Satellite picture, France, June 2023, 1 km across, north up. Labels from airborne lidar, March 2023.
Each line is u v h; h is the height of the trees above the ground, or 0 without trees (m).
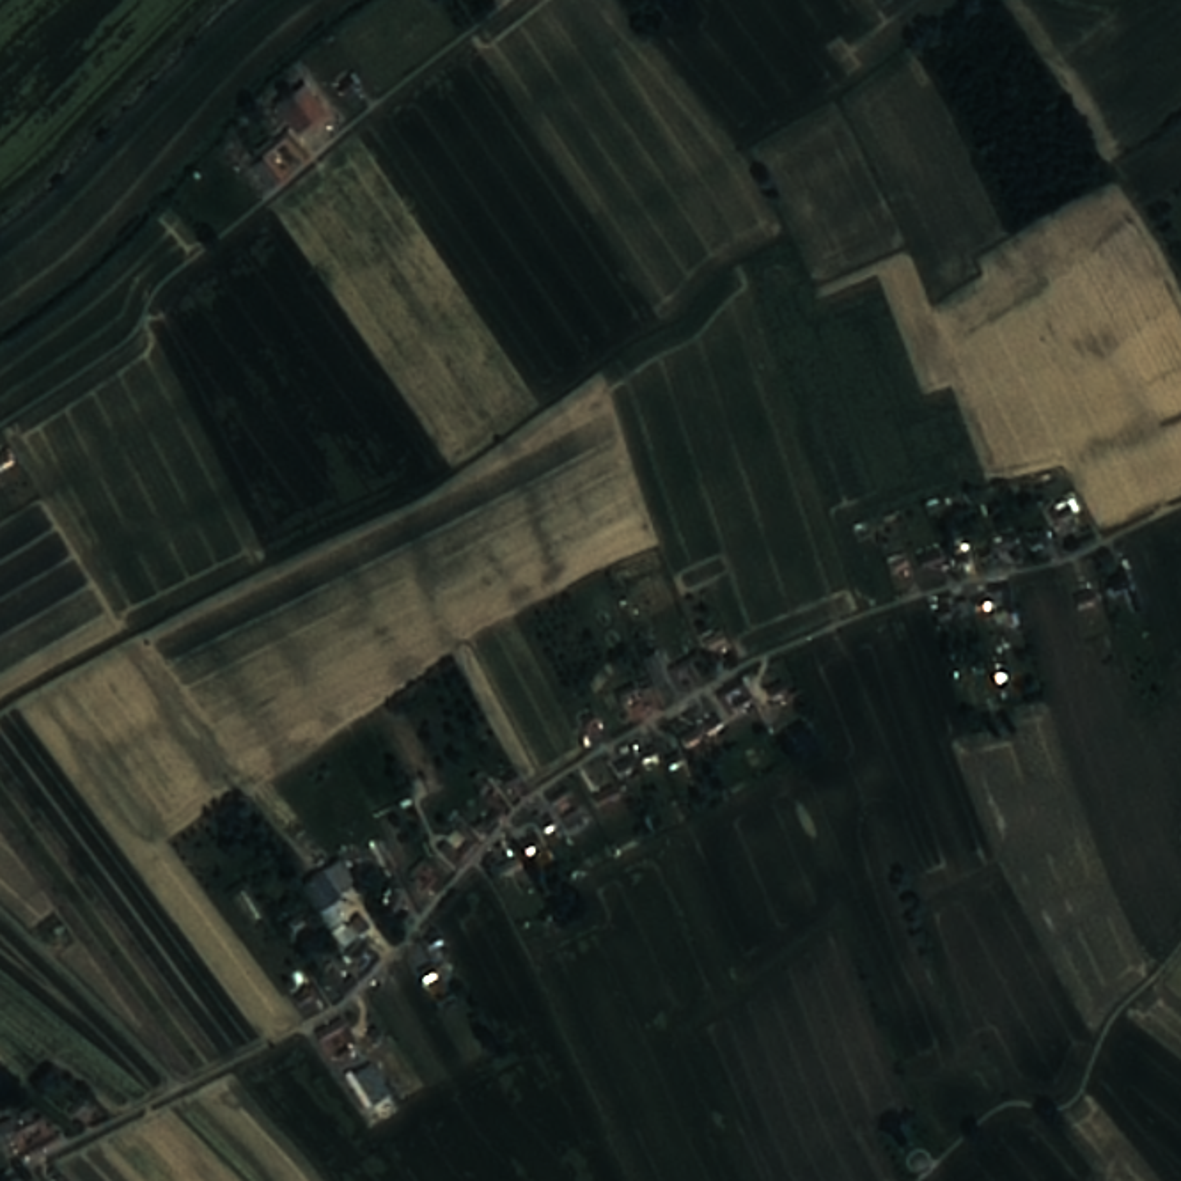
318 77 0
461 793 0
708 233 0
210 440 0
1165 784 0
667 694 0
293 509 0
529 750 0
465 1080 0
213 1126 0
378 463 0
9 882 0
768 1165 0
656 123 0
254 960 0
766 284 0
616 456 0
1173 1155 0
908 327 0
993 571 0
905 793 0
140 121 0
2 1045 0
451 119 0
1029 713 0
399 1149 0
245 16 0
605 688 0
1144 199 0
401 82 0
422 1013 0
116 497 0
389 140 0
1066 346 0
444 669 7
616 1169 0
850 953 0
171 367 0
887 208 0
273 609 0
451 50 0
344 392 0
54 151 0
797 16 0
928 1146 0
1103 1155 0
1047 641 0
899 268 0
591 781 0
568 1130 0
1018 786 0
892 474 0
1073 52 0
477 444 0
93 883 0
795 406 0
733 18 0
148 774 0
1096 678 0
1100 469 0
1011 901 0
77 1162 0
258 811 0
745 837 0
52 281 0
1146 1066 0
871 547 0
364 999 0
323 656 0
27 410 0
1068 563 0
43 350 0
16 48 0
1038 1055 0
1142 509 0
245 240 0
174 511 0
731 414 0
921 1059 0
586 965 0
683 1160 0
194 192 0
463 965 0
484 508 0
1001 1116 0
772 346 0
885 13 0
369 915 11
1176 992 0
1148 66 0
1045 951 0
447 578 0
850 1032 0
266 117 0
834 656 0
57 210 0
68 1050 0
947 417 0
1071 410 0
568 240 0
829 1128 0
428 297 0
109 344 0
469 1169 0
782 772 0
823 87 0
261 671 0
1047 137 12
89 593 0
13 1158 0
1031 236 0
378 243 0
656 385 0
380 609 0
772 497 0
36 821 0
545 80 0
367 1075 0
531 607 0
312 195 0
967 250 0
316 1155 0
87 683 0
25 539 0
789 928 0
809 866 0
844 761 0
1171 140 0
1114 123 0
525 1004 0
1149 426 0
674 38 0
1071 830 0
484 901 0
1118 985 0
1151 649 0
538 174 0
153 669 0
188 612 0
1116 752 0
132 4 0
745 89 0
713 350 0
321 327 0
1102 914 0
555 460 0
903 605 0
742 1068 0
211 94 0
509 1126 0
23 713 0
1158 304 0
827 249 0
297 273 0
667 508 0
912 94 0
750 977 0
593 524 0
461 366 0
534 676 0
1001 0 7
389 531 0
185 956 0
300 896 8
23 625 0
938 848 0
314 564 0
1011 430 0
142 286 0
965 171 0
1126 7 0
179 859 0
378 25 0
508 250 0
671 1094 0
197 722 0
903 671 0
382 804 0
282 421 0
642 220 0
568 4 0
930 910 0
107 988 0
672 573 0
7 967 0
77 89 0
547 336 0
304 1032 0
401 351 0
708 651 7
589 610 0
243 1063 0
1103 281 0
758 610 0
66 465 0
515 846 10
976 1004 0
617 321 0
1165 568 0
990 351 0
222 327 0
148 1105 0
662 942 0
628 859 0
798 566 0
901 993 0
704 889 0
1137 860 0
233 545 0
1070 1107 0
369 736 0
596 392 0
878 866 0
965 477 0
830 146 0
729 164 0
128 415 0
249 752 0
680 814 0
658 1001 0
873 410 0
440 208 0
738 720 0
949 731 0
